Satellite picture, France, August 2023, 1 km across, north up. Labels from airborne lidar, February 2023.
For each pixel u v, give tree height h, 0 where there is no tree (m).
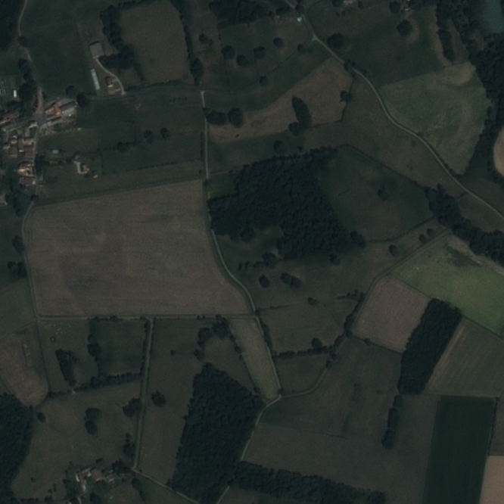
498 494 0
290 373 0
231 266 0
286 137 0
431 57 0
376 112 0
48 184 0
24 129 0
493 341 0
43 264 0
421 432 0
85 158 0
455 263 0
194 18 0
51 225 0
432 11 0
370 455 0
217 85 0
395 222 0
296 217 19
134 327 0
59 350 0
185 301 0
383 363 0
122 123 0
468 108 0
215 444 10
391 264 0
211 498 12
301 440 0
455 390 0
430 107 0
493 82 6
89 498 0
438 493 0
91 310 0
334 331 0
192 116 0
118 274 0
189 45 10
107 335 0
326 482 6
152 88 0
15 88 0
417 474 0
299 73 0
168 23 0
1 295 0
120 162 0
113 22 10
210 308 0
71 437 0
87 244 0
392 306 0
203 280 0
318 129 0
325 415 0
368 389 0
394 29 0
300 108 21
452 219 19
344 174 0
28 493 0
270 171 23
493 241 20
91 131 0
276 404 0
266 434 0
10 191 17
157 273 0
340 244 23
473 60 12
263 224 18
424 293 0
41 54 0
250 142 0
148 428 0
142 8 0
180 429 0
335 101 0
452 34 12
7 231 0
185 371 0
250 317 0
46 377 0
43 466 0
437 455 0
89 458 0
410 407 0
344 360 0
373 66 0
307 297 0
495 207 0
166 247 0
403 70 0
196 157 0
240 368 0
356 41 0
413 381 17
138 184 0
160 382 0
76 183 0
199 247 0
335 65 0
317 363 0
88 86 0
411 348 11
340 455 0
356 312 8
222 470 6
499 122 14
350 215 0
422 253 0
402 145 0
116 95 0
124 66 24
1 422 18
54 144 0
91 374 0
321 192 21
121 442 0
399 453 0
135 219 0
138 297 0
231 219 19
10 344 0
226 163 0
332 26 0
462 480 0
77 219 0
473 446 0
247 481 8
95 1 0
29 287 0
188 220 0
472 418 0
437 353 9
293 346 0
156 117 0
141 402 14
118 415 0
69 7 0
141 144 0
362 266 0
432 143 0
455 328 11
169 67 0
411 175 0
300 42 0
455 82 0
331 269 0
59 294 0
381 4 0
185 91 0
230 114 0
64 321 0
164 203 0
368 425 0
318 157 21
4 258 0
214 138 0
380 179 0
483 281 0
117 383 17
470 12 17
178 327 0
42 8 0
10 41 11
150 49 0
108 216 0
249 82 0
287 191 22
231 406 18
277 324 0
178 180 0
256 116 0
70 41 0
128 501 0
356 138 0
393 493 0
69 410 0
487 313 0
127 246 0
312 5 0
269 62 0
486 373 0
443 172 0
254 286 0
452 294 0
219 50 0
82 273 0
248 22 10
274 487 9
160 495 0
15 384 0
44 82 0
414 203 0
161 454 0
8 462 22
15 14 11
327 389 0
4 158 0
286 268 0
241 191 20
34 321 0
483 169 0
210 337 11
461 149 0
